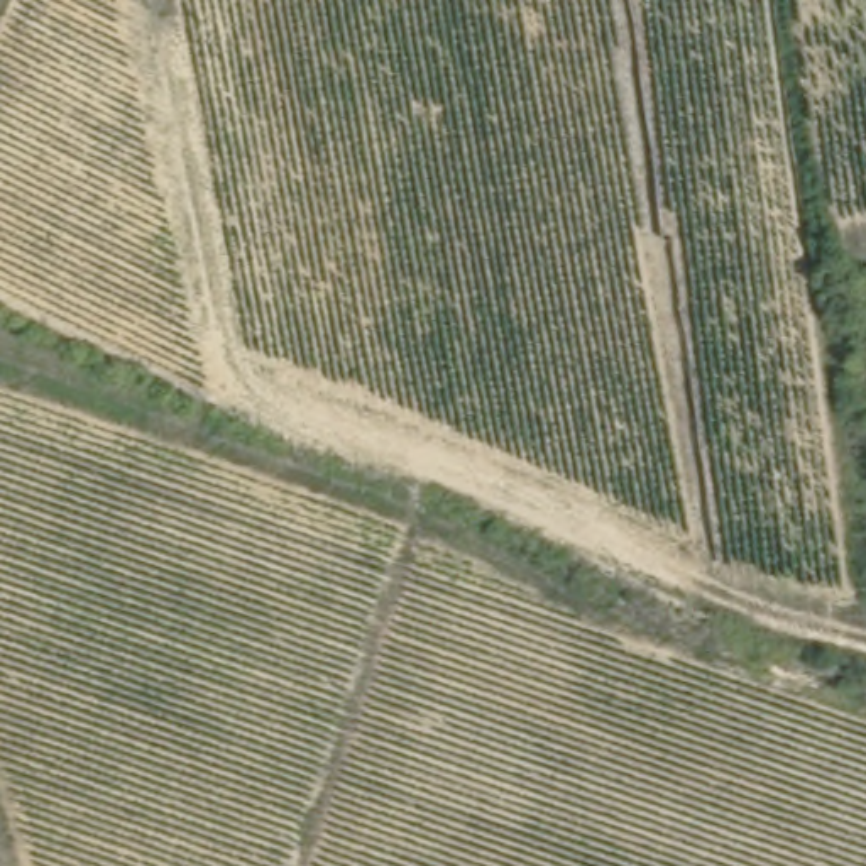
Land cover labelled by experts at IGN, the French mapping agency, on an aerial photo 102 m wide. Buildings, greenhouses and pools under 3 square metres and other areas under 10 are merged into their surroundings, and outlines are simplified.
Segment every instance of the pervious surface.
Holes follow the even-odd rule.
[[[754,622],[775,633],[829,643],[866,656],[866,626],[836,619],[771,602],[768,612]]]

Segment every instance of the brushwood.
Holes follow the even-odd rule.
[[[656,602],[650,592],[599,572],[575,548],[548,541],[534,528],[514,524],[504,514],[487,511],[467,494],[457,494],[423,477],[382,474],[372,463],[359,467],[342,460],[338,453],[291,443],[271,433],[267,426],[254,426],[244,413],[213,406],[200,396],[186,396],[166,379],[145,372],[135,359],[108,355],[91,342],[68,338],[0,304],[0,396],[7,389],[47,396],[54,403],[88,409],[101,419],[200,447],[213,457],[254,467],[277,480],[291,480],[372,507],[379,514],[406,521],[406,531],[416,538],[440,538],[447,545],[474,551],[491,568],[511,578],[538,585],[538,592],[548,602],[568,606],[572,616],[589,616],[619,626],[629,636],[687,650],[700,660],[744,666],[748,673],[761,673],[765,666],[805,666],[815,673],[819,683],[836,687],[846,697],[846,710],[866,707],[866,656],[829,643],[775,633],[754,622],[700,599],[697,622],[670,622],[666,606]]]
[[[856,260],[852,250],[839,247],[836,237],[825,247],[825,260],[805,277],[808,304],[815,311],[825,352],[825,399],[839,457],[849,575],[856,589],[856,599],[842,606],[836,619],[866,626],[866,260]]]

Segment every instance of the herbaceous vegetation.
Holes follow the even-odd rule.
[[[825,260],[825,247],[836,237],[839,247],[852,250],[856,260],[866,260],[866,210],[846,213],[836,223],[825,220],[822,227],[798,223],[798,271],[805,277]]]

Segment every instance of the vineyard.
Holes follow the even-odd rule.
[[[697,622],[700,599],[754,622],[768,612],[771,602],[836,619],[842,606],[856,599],[856,589],[849,575],[839,457],[825,399],[825,352],[815,311],[808,304],[805,277],[798,271],[798,223],[822,227],[825,220],[836,223],[846,213],[866,210],[866,0],[0,0],[0,304],[68,338],[91,342],[108,355],[135,359],[145,372],[166,379],[186,396],[200,396],[213,406],[244,413],[254,426],[267,426],[271,433],[291,443],[338,453],[342,460],[359,467],[372,463],[382,474],[423,477],[457,494],[467,494],[487,511],[504,514],[514,524],[534,528],[548,541],[575,548],[599,572],[650,592],[656,602],[666,606],[670,622]]]
[[[88,409],[54,403],[47,396],[7,389],[0,396],[0,866],[866,866],[866,707],[846,710],[846,697],[836,687],[819,683],[815,673],[805,666],[765,666],[761,673],[748,673],[744,666],[700,660],[687,650],[629,636],[619,626],[589,616],[572,616],[568,606],[548,602],[538,592],[538,585],[511,578],[491,568],[474,551],[447,545],[440,538],[416,538],[406,531],[406,521],[379,514],[372,507],[291,480],[277,480],[254,467],[213,457],[200,447],[101,419]]]

